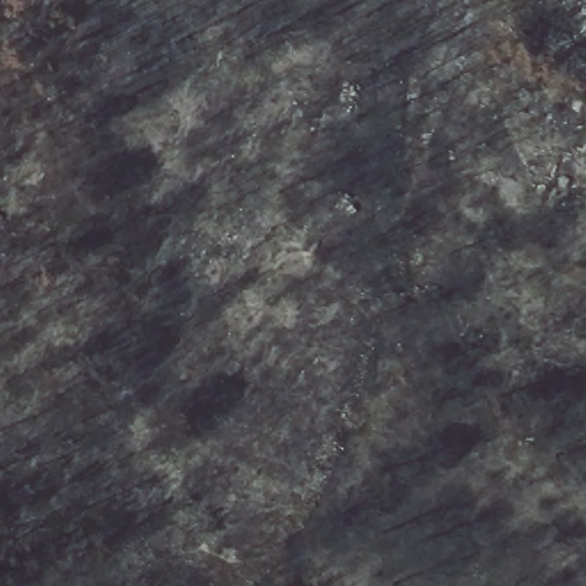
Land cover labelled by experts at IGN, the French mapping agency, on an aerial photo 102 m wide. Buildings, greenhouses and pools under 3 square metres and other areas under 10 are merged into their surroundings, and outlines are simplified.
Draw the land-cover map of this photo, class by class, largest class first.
<instances>
[{"label":"bare soil","instance_id":"1","mask_svg":"<svg viewBox=\"0 0 586 586\"><path fill-rule=\"evenodd\" d=\"M0 586H586V0H0Z\"/></svg>","mask_w":586,"mask_h":586}]
</instances>
